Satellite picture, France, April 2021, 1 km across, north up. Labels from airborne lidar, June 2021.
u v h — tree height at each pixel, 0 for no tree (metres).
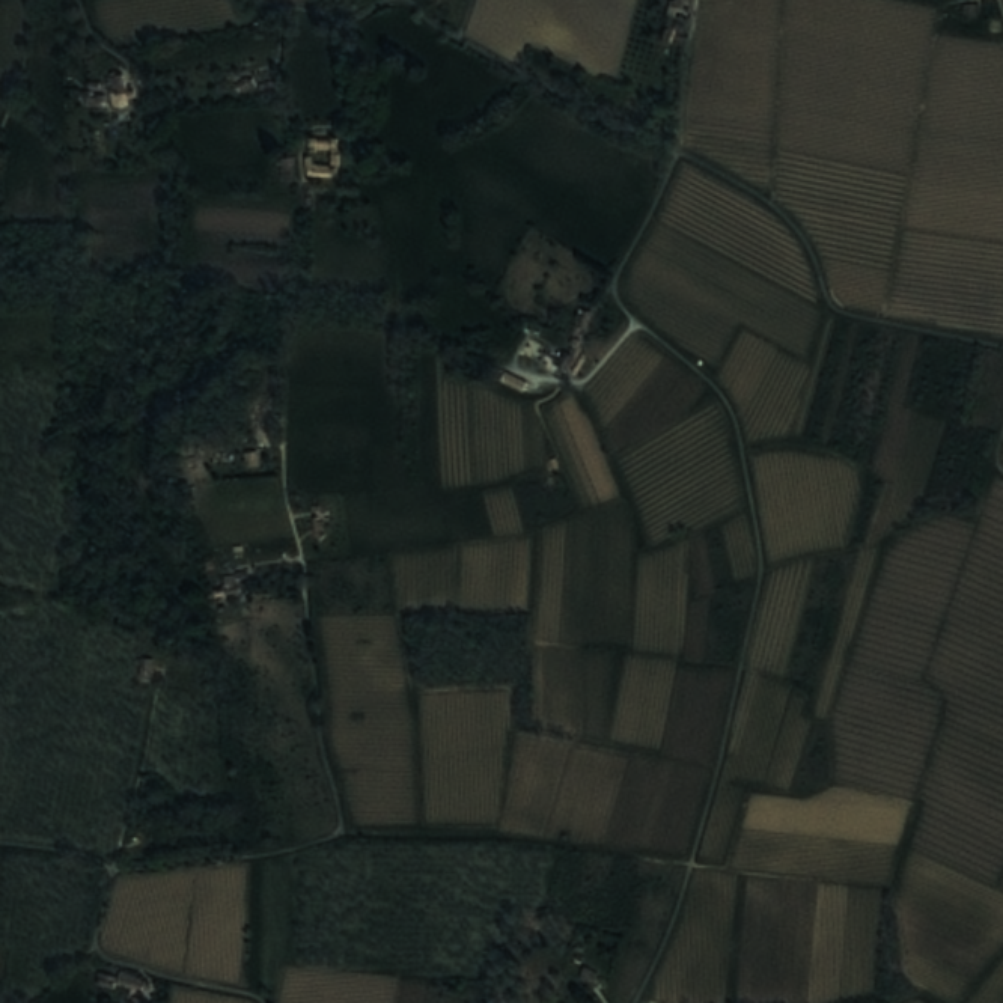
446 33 12
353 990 0
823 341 0
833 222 0
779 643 0
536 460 0
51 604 9
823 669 0
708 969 0
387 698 0
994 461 0
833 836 0
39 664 12
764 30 0
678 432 0
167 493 23
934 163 0
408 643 8
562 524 0
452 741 0
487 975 14
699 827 0
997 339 0
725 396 0
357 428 0
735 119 0
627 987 0
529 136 0
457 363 17
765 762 0
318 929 9
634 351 0
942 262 0
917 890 0
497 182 0
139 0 0
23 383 7
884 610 0
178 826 19
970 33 0
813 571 0
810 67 0
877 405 6
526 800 0
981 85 0
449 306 0
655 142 25
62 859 17
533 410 0
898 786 0
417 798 0
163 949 0
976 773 0
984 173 0
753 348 0
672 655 0
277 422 14
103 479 32
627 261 0
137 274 16
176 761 9
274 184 0
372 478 0
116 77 0
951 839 0
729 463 0
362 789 0
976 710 0
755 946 0
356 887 6
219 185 0
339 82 9
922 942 0
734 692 0
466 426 0
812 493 0
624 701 0
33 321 0
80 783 6
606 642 0
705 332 0
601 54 0
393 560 0
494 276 0
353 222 0
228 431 20
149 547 21
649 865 0
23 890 10
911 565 0
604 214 0
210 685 14
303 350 0
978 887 0
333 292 10
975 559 0
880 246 0
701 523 0
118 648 10
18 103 24
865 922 0
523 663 17
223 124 0
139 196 0
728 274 0
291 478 0
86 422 26
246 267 0
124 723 10
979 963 0
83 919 9
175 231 20
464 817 0
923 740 0
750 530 0
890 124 0
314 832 0
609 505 0
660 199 0
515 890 6
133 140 8
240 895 0
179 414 26
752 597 0
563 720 0
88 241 17
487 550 0
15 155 0
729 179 0
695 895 0
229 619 0
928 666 0
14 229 7
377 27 0
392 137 0
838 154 0
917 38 0
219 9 0
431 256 0
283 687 0
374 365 0
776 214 0
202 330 15
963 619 0
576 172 0
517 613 8
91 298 23
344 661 0
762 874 0
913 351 0
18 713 11
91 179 0
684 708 0
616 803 0
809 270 0
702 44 0
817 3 0
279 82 16
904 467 0
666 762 0
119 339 27
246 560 0
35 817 9
